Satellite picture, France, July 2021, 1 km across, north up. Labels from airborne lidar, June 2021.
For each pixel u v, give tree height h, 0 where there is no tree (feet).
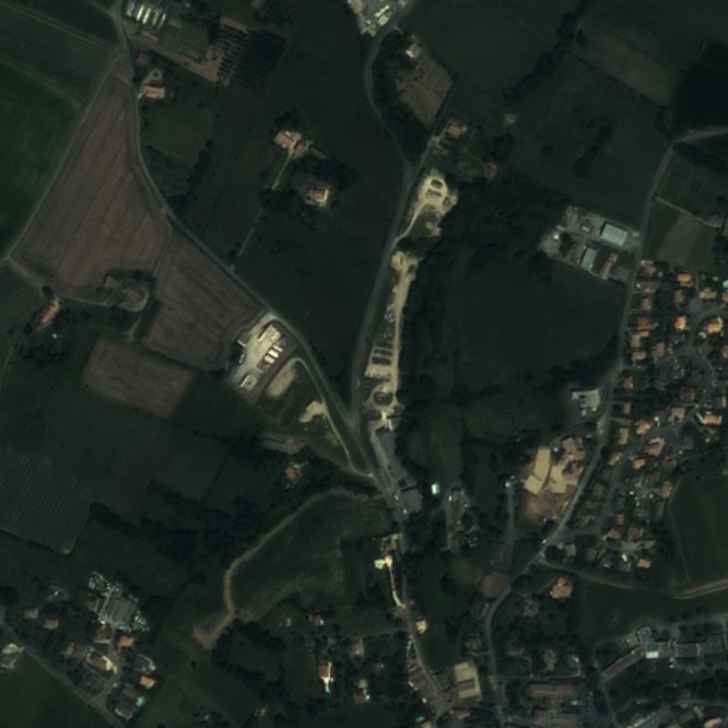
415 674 0
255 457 45
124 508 0
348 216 0
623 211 0
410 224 0
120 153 0
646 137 0
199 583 31
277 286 0
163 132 0
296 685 0
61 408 0
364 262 0
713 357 22
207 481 0
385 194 0
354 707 0
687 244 0
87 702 0
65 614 30
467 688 0
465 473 35
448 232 66
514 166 0
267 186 0
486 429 0
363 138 0
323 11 0
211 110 0
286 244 0
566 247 31
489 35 0
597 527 0
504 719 0
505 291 0
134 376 0
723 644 0
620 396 23
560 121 0
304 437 0
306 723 0
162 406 0
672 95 0
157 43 0
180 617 0
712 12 0
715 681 37
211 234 0
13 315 0
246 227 0
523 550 0
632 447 0
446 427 0
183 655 0
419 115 0
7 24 0
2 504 0
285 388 0
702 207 0
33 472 0
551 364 0
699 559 0
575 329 0
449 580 43
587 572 0
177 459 0
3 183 0
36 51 0
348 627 0
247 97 0
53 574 0
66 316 30
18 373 0
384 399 0
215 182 0
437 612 0
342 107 0
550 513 0
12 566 0
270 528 25
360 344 0
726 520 0
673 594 0
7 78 0
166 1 0
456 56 0
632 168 0
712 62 0
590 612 0
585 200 0
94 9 0
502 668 19
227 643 56
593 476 17
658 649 0
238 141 0
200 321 0
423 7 0
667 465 0
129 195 0
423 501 30
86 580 0
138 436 0
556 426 20
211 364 0
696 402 20
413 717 30
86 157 0
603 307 0
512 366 0
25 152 0
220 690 0
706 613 47
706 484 0
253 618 0
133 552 0
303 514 0
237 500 31
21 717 0
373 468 0
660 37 0
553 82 0
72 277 0
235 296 0
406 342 50
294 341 0
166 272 0
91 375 0
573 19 73
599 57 0
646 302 0
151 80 0
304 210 45
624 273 0
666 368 0
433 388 43
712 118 0
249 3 0
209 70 0
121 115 0
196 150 0
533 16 0
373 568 0
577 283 0
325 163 53
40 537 0
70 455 0
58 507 0
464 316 0
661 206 0
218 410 0
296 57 0
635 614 0
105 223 0
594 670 46
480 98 0
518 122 0
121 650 0
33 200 0
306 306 0
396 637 26
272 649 41
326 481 33
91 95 0
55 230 0
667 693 43
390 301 0
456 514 0
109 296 0
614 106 0
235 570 0
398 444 43
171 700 0
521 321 0
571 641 34
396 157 0
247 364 0
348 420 0
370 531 0
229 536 62
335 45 0
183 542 61
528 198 20
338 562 0
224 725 34
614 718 0
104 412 0
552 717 0
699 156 45
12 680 0
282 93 0
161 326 0
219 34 37
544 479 0
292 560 0
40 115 0
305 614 25
